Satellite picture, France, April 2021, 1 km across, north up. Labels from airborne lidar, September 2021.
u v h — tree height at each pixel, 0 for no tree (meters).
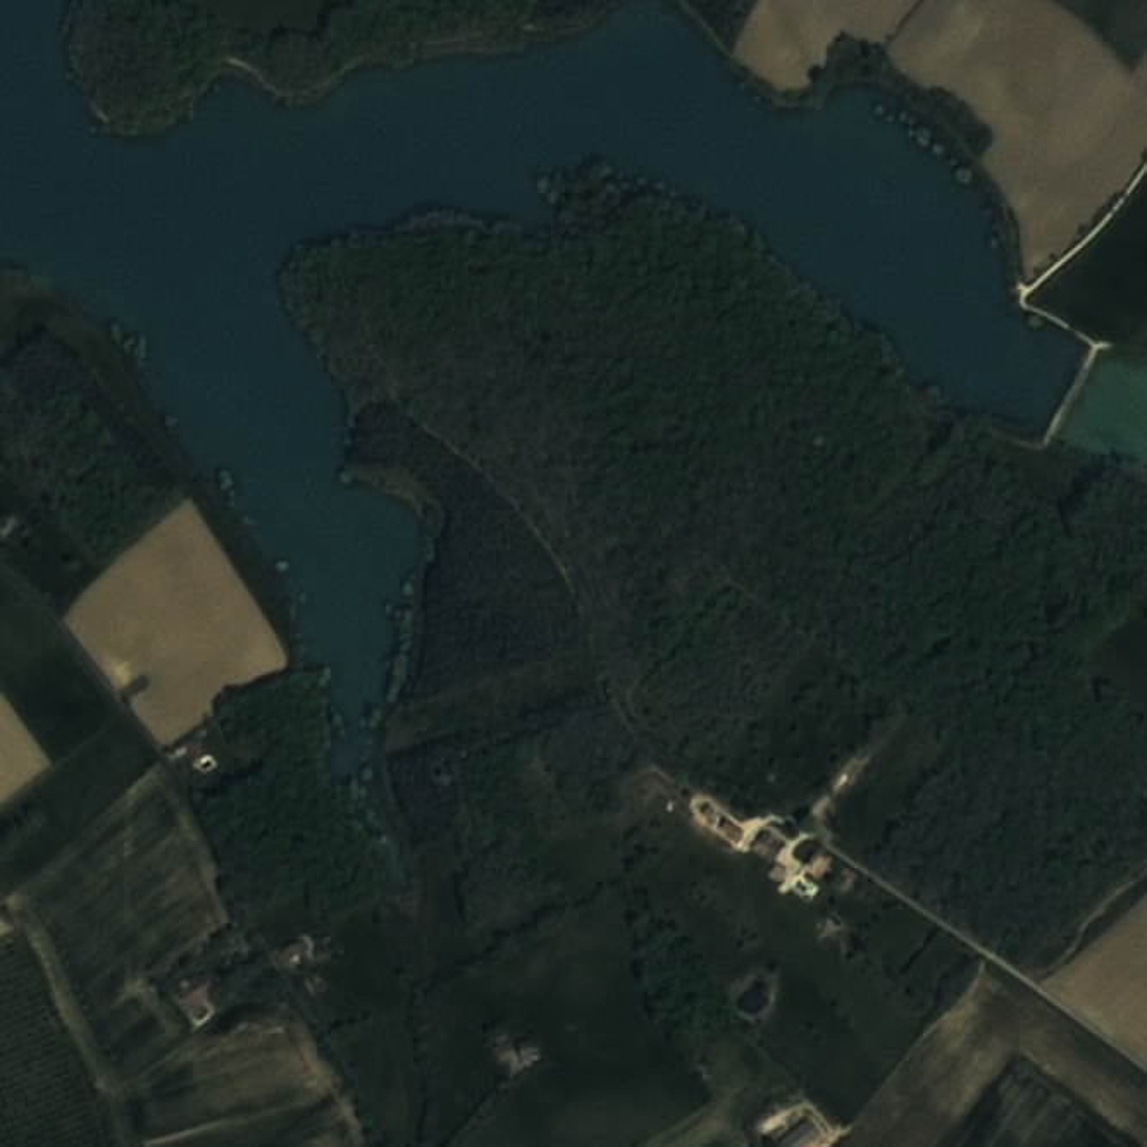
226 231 0
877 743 17
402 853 0
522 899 17
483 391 14
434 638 14
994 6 0
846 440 22
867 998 0
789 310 23
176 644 0
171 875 0
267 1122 0
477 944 0
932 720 17
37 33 0
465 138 0
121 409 12
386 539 0
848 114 0
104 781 0
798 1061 0
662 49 0
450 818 14
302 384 0
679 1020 24
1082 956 0
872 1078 0
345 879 27
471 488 11
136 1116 0
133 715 0
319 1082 0
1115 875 18
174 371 0
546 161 0
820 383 24
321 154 0
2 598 0
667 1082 0
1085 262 0
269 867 23
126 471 23
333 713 10
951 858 19
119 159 0
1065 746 17
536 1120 0
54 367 16
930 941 0
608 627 16
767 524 20
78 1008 0
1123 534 25
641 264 20
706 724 6
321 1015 12
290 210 0
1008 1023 0
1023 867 19
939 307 0
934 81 0
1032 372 0
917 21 0
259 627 0
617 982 0
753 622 7
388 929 11
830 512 23
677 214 27
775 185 0
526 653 17
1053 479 0
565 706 12
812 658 0
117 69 18
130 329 0
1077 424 0
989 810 13
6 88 0
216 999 14
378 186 0
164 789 0
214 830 17
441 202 0
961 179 10
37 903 0
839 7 0
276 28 0
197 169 0
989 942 15
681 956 15
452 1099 0
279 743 23
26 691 0
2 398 20
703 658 9
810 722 0
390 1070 0
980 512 21
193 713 0
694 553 18
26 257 0
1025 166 0
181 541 0
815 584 21
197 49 23
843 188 0
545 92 0
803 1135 0
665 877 0
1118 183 0
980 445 23
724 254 28
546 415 19
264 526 0
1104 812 20
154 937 0
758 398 24
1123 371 0
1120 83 0
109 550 16
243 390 0
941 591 24
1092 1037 0
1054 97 0
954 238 0
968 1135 0
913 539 13
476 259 23
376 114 0
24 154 0
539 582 6
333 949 10
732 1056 0
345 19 22
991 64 0
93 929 0
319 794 24
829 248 0
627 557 13
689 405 25
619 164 0
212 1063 0
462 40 14
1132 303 0
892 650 17
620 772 13
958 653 22
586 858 0
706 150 0
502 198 0
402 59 10
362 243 14
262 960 13
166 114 12
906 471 18
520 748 15
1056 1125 0
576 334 18
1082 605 21
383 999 0
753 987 0
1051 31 0
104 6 21
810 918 0
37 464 15
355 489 0
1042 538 26
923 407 9
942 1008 15
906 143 0
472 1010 0
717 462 20
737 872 0
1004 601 28
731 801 12
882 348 23
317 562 0
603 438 20
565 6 13
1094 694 23
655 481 23
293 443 0
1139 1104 0
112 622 0
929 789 16
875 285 0
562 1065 0
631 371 23
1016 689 20
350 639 0
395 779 11
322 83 20
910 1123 0
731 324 22
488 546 10
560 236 19
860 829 0
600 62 0
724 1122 0
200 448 0
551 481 15
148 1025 0
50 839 0
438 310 21
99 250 0
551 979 0
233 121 0
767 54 0
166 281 0
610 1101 0
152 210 0
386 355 17
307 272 17
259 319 0
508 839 23
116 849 0
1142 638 0
